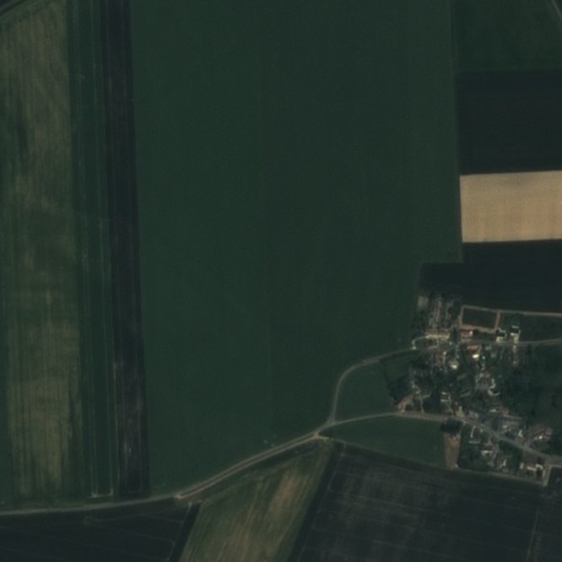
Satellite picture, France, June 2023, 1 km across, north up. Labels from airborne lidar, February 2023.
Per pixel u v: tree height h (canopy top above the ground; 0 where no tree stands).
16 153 0
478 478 0
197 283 0
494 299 0
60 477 0
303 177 0
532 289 0
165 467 0
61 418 0
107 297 0
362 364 0
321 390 0
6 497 0
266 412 0
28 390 0
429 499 0
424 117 0
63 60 0
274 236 0
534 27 0
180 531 0
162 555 0
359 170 0
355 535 0
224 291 0
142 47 0
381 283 0
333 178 0
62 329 0
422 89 0
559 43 0
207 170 0
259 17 0
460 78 0
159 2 0
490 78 0
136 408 0
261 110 0
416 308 0
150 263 0
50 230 0
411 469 0
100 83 0
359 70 0
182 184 0
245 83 0
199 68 0
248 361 0
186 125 0
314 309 0
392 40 0
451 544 0
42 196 0
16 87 0
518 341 0
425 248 0
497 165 0
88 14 0
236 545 0
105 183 0
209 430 0
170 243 0
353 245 0
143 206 0
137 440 0
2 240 0
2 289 0
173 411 0
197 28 0
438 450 0
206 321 0
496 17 0
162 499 0
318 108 0
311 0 0
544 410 0
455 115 0
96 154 0
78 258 0
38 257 0
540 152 0
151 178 0
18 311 0
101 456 0
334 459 0
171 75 0
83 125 0
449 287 0
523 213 0
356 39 0
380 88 0
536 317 0
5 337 0
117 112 0
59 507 0
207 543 0
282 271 0
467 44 0
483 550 0
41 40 0
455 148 0
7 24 0
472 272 0
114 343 0
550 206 0
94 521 0
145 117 0
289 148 0
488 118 0
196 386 0
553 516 0
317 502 0
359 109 0
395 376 0
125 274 0
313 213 0
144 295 0
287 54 0
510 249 0
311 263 0
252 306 0
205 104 0
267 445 0
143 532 0
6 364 0
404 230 0
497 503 0
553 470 0
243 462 0
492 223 0
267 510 0
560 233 0
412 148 0
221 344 0
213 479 0
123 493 0
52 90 0
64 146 0
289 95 0
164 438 0
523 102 0
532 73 0
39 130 0
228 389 0
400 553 0
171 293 0
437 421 0
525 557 0
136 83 0
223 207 0
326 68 0
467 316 0
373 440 0
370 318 0
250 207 0
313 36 0
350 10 0
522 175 0
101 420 0
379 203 0
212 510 0
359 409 0
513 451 7
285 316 0
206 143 0
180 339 0
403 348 0
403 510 0
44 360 0
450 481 0
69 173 0
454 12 0
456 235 0
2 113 0
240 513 0
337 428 0
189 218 0
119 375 0
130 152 0
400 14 0
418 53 0
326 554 0
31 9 0
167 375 0
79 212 0
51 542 0
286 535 0
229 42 0
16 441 0
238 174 0
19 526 0
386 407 0
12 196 0
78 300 0
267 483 0
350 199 0
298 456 0
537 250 0
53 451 0
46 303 0
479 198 0
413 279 0
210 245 0
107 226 0
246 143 0
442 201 0
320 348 0
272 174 0
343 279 0
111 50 0
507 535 0
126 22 0
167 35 0
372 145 0
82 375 0
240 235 0
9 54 0
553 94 0
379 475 0
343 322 0
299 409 0
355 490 0
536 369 0
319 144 0
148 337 0
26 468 0
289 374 0
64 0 0
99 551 0
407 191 0
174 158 0
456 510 0
